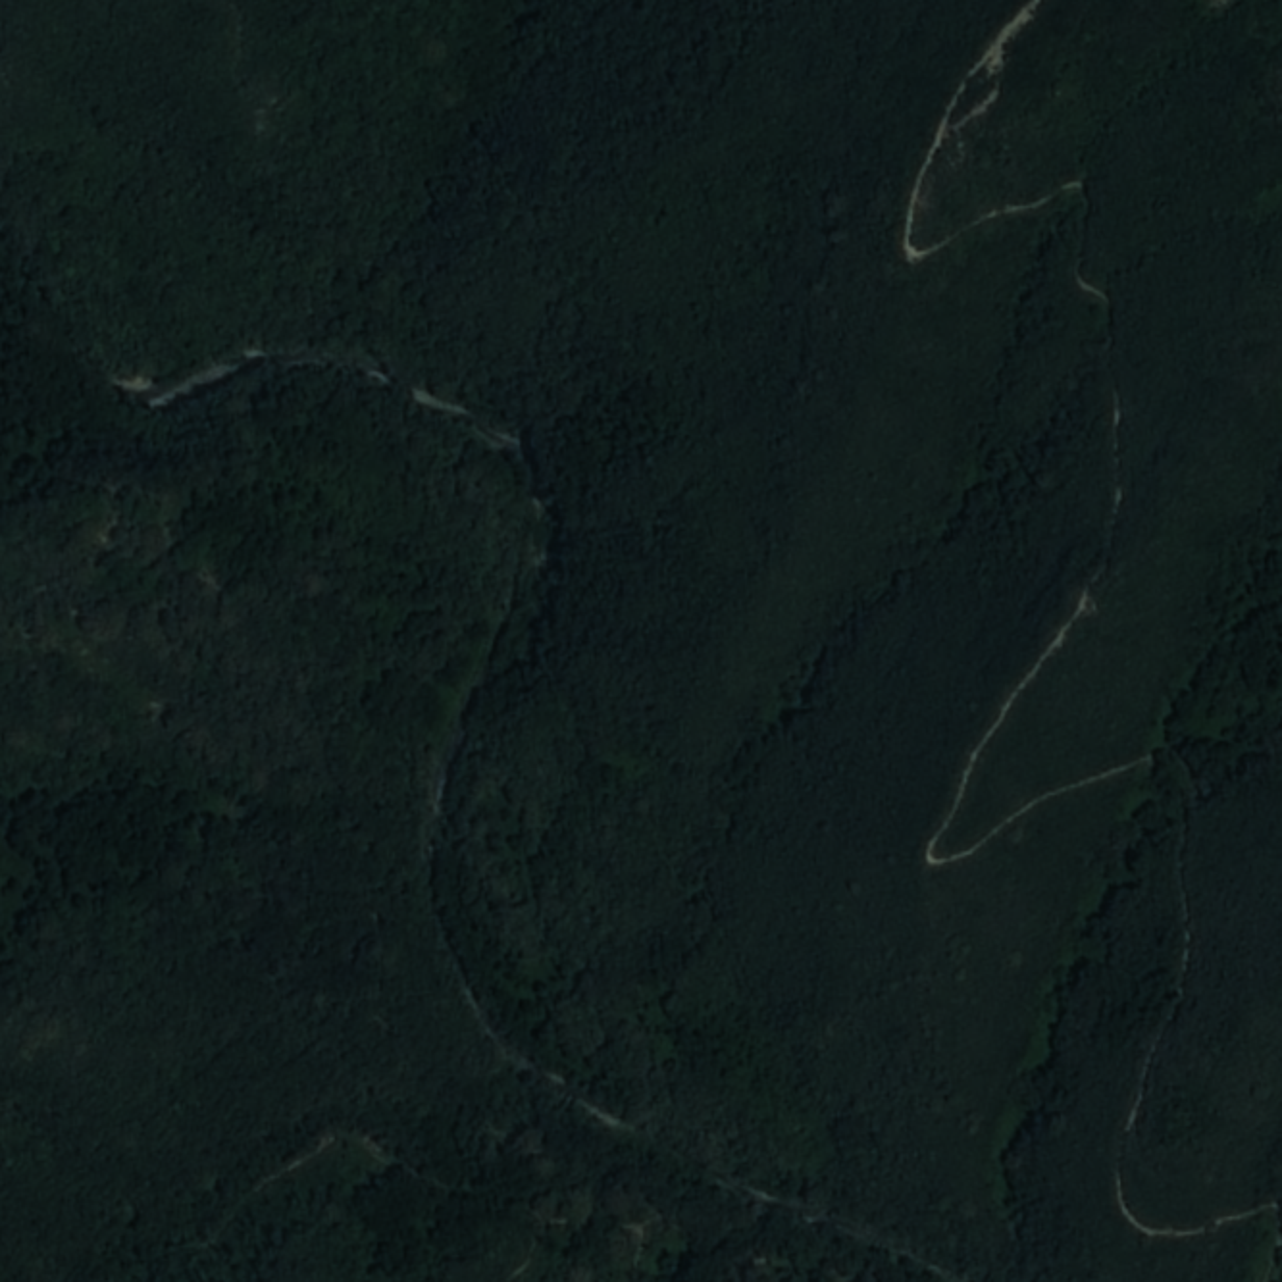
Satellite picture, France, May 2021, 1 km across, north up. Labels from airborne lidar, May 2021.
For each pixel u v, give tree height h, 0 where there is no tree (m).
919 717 8
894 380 6
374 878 25
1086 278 8
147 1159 15
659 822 13
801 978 11
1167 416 6
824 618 8
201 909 15
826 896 6
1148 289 9
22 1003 15
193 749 18
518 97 21
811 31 9
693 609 12
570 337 10
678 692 11
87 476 15
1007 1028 8
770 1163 14
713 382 8
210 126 7
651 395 20
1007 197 8
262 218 17
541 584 12
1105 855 18
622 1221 12
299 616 18
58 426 15
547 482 27
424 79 14
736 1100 11
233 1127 20
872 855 6
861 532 8
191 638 17
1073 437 17
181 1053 11
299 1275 14
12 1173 11
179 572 9
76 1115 14
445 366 9
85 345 14
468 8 17
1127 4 6
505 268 8
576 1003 12
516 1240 7
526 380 19
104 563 15
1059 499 10
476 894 16
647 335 18
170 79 10
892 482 8
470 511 18
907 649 7
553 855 16
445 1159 23
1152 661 6
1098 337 9
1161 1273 9
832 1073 7
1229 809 8
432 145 28
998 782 6
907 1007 6
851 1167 14
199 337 9
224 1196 26
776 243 8
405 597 13
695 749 8
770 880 8
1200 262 8
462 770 18
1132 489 8
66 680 8
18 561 9
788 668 10
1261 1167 11
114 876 13
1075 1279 14
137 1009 15
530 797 17
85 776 18
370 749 17
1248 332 6
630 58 18
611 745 14
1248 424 8
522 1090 15
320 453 13
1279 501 7
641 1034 16
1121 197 8
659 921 10
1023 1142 20
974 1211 8
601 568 21
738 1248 24
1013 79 6
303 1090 20
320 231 20
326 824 22
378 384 9
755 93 8
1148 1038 6
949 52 7
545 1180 12
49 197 11
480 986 15
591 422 25
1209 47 10
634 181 8
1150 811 22
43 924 22
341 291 18
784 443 16
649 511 9
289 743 9
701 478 9
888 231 6
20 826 21
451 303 11
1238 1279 11
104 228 11
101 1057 8
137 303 13
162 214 10
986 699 6
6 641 14
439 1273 8
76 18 6
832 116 8
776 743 10
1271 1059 8
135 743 10
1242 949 7
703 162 7
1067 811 7
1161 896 10
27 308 23
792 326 9
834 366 7
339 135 13
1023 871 6
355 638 22
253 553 18
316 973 23
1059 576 8
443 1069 21
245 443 14
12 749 13
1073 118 6
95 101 7
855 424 6
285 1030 12
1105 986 13
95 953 11
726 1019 8
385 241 17
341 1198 12
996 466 14
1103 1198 8
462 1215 17
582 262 12
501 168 24
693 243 8
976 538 10
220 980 21
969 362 9
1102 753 8
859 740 7
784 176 10
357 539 7
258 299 11
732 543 6
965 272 7
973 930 6
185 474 15
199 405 26
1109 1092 9
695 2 18
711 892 15
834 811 9
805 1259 18
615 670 9
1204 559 7
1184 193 7
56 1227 19
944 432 7
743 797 9
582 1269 15
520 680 15
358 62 10
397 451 18
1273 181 8
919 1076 12
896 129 7
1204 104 8
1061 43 6
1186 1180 8
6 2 8
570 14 15
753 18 12
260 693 17
